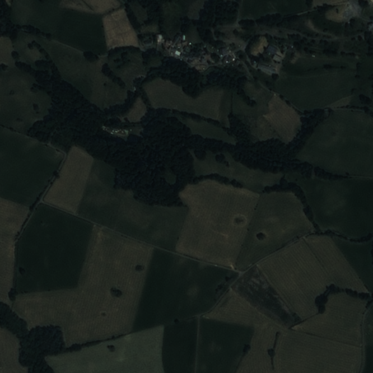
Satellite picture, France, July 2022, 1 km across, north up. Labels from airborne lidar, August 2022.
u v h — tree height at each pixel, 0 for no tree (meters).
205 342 0
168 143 26
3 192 0
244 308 0
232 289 0
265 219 0
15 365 0
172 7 0
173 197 13
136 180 20
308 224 0
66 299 0
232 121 14
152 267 0
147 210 0
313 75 0
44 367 16
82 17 0
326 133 0
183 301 0
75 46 0
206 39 18
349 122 0
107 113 24
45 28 0
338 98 0
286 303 0
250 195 0
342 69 9
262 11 0
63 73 0
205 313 0
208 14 17
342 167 0
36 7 0
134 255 0
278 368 0
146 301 0
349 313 0
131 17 20
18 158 0
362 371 0
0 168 0
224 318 0
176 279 0
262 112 0
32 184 0
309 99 0
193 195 0
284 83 0
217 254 0
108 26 0
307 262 0
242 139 11
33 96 0
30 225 0
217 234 0
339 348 0
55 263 0
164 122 23
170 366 0
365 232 0
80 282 0
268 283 0
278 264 0
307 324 0
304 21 0
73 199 0
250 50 11
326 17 0
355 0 0
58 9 0
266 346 0
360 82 0
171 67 23
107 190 0
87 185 0
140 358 0
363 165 0
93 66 0
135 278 0
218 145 20
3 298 0
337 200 0
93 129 21
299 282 0
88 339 0
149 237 0
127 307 0
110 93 0
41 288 0
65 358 0
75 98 29
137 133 0
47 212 0
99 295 0
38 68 17
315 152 0
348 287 0
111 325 0
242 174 0
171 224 0
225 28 0
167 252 0
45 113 0
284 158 11
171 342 0
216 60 10
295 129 0
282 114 0
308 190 0
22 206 0
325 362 0
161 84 0
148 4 20
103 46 0
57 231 0
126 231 0
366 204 0
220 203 0
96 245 0
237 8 16
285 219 0
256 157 18
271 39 9
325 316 0
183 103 0
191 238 0
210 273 0
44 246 0
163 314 0
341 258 0
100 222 0
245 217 0
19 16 0
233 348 0
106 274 0
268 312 0
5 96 0
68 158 0
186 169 18
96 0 0
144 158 15
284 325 0
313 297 0
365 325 0
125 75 0
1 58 0
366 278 0
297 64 0
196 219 0
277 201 0
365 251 0
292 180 0
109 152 34
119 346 0
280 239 0
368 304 12
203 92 0
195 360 0
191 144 23
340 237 8
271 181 0
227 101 0
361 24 0
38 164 0
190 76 22
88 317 0
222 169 0
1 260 0
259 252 0
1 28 19
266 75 0
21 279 0
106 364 0
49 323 0
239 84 18
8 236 0
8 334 0
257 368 0
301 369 0
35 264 0
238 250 0
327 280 0
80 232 0
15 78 0
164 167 23
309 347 0
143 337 0
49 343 21
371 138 0
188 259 0
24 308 0
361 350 0
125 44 0
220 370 0
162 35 11
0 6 19
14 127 0
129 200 0
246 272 0
